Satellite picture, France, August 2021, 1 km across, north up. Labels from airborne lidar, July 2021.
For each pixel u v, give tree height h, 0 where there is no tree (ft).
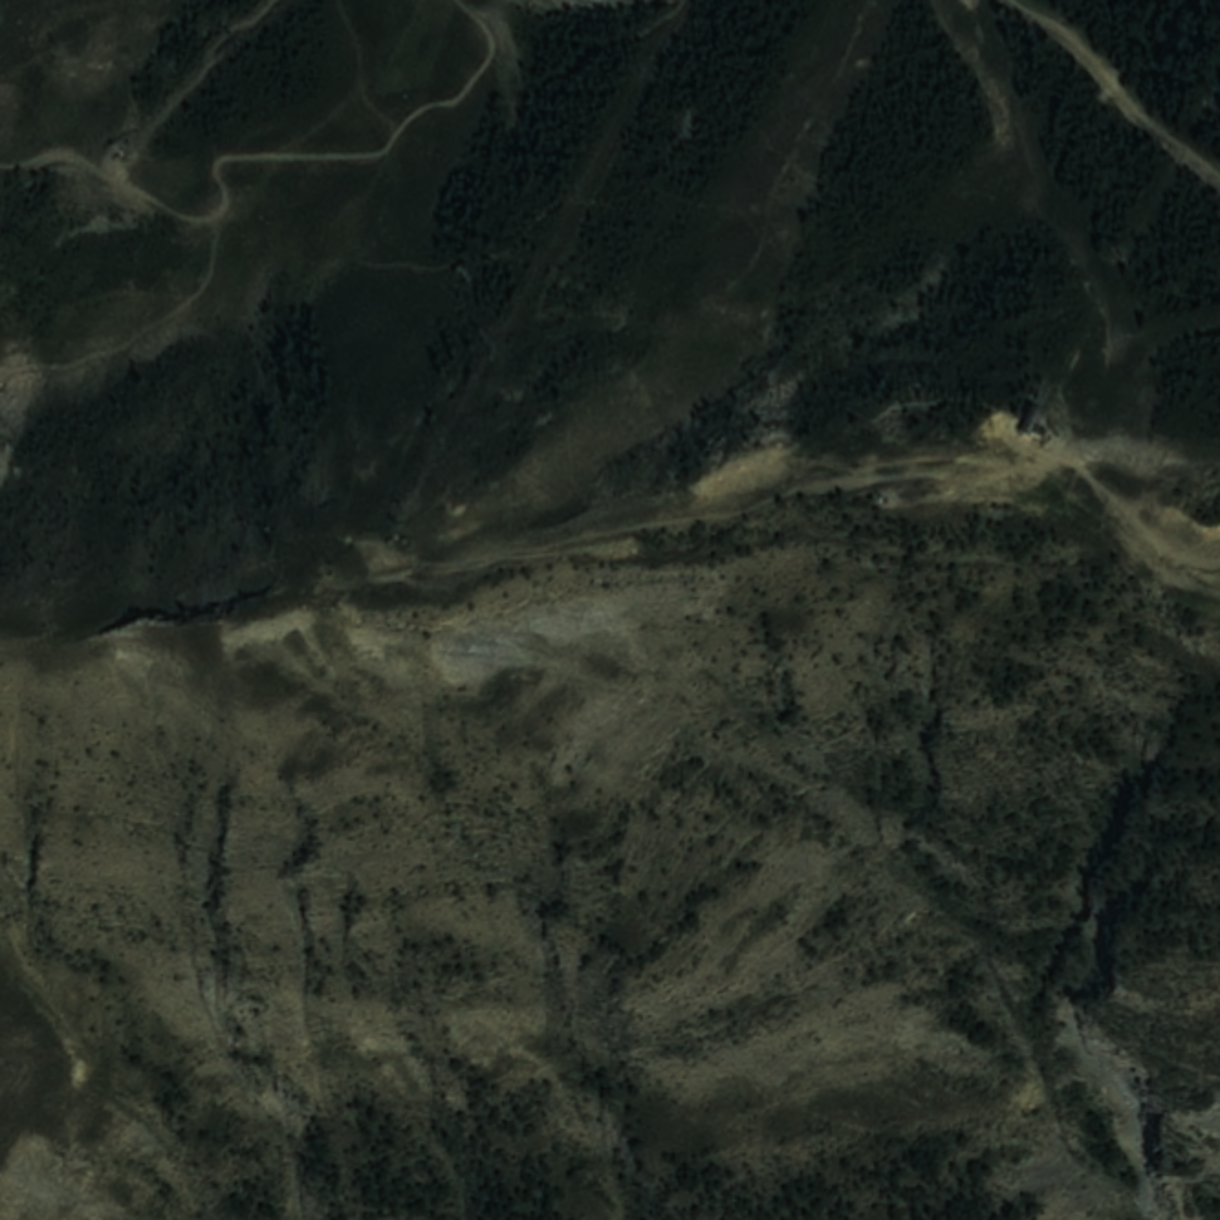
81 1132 0
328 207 0
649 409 0
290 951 0
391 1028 0
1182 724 45
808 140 0
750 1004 0
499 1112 25
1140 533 0
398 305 0
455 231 24
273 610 0
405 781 0
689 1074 0
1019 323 28
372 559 0
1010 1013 0
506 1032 0
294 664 0
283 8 0
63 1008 0
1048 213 0
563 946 0
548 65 29
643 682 0
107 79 0
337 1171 38
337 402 0
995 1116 0
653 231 21
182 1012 0
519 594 0
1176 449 0
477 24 0
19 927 0
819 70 0
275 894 0
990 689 27
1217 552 0
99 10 0
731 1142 0
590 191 0
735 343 0
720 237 0
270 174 0
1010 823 36
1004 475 0
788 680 31
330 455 0
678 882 0
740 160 0
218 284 0
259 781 0
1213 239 32
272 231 0
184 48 37
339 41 0
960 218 0
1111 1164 51
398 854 0
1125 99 0
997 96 0
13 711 0
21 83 0
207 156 0
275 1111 0
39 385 0
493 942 0
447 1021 0
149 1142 0
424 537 0
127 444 0
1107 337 0
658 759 0
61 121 0
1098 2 49
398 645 0
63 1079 0
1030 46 28
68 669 0
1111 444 0
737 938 0
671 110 25
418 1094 0
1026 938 19
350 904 20
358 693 0
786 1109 0
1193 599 0
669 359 0
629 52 30
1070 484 0
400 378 0
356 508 0
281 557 0
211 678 0
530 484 0
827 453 0
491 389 0
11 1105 0
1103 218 32
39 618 0
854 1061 0
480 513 0
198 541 0
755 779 26
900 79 22
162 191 0
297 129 0
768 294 0
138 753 0
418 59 0
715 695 0
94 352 0
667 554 0
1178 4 59
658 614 0
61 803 0
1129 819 31
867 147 25
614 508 0
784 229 0
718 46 23
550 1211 63
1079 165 25
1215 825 29
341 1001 0
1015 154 0
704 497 0
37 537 0
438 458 0
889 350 23
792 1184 22
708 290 0
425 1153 26
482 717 0
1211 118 39
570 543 0
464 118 0
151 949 0
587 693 0
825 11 0
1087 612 25
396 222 0
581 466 0
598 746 0
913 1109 0
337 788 0
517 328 0
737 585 0
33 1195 0
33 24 0
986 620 0
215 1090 0
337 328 0
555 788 0
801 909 0
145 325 0
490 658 0
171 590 0
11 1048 0
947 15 0
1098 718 33
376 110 0
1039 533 27
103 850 0
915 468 0
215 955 45
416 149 0
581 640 0
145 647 0
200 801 0
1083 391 0
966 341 34
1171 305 30
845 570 0
